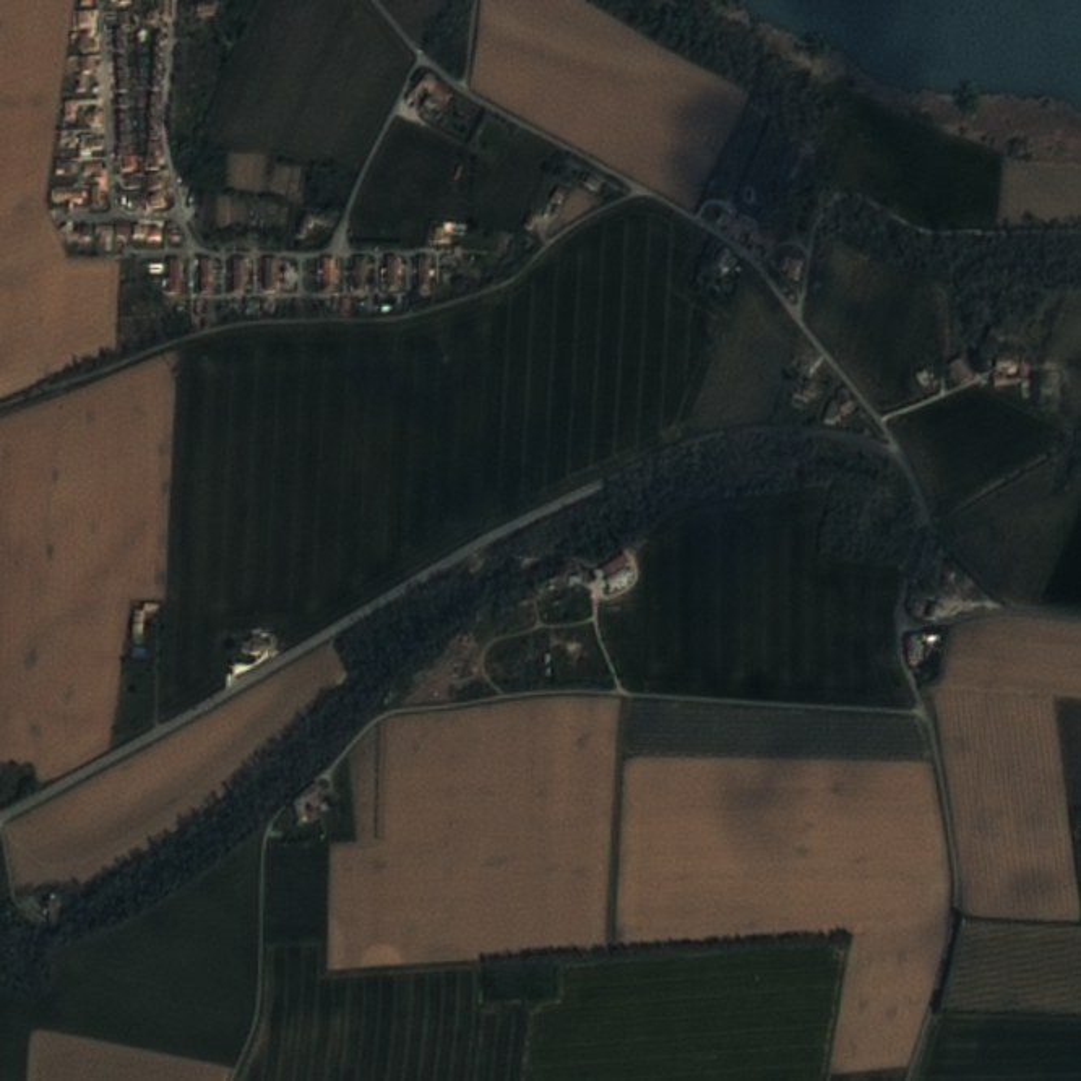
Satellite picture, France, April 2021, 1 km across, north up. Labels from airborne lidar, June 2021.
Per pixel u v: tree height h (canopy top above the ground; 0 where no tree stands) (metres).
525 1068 0
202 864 9
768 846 0
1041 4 0
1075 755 0
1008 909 0
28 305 0
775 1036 0
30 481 0
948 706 0
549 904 0
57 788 0
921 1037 0
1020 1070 0
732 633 0
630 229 0
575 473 0
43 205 0
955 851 0
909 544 12
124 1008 0
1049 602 0
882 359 0
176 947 0
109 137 0
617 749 0
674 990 0
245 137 0
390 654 9
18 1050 0
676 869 0
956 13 0
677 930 0
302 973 0
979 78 0
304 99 0
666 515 10
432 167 0
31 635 0
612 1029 0
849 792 0
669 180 0
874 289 0
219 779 0
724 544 0
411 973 0
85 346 0
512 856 0
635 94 0
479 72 0
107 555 0
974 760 0
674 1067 0
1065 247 14
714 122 0
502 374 0
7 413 0
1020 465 0
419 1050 0
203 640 0
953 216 0
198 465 0
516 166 0
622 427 0
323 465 0
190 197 0
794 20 0
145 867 16
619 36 0
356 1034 0
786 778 0
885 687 0
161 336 10
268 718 0
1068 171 0
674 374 0
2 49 0
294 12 0
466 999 0
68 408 0
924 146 0
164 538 0
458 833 0
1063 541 0
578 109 0
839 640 0
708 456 7
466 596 10
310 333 0
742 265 7
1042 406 9
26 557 0
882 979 0
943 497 0
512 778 0
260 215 0
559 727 0
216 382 0
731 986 0
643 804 0
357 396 0
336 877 0
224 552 0
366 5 0
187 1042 0
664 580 0
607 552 12
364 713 12
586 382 0
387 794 0
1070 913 0
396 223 0
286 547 0
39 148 0
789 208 0
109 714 0
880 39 0
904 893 0
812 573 0
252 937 0
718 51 12
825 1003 0
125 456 0
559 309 0
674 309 0
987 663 0
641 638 0
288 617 0
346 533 0
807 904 0
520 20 0
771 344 0
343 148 0
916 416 0
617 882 0
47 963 8
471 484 0
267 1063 0
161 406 0
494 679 0
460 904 0
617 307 0
